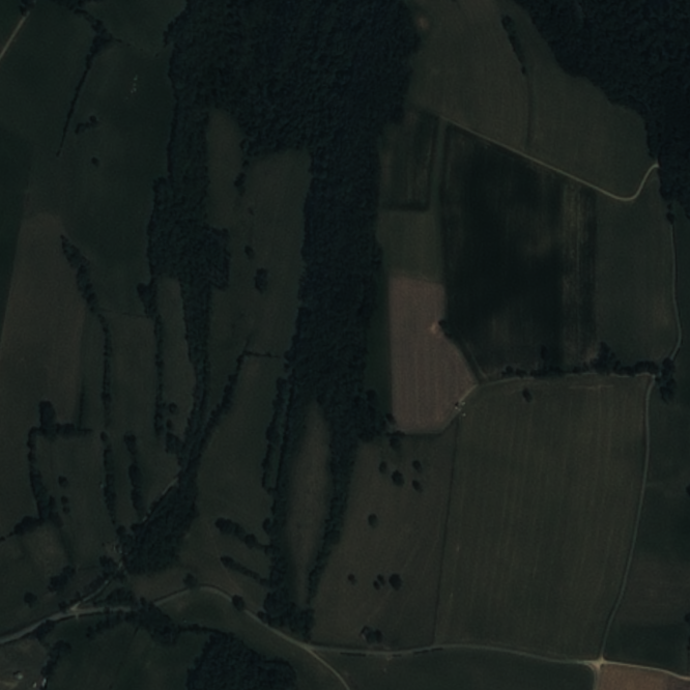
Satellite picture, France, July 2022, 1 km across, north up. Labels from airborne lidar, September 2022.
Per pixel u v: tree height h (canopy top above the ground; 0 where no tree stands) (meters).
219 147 0
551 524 0
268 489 11
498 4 0
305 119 10
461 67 0
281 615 12
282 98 20
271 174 0
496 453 0
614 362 7
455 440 0
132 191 0
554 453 0
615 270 0
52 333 0
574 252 0
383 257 13
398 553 0
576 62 20
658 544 0
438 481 0
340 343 15
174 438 14
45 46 0
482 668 0
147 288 16
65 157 0
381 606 0
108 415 0
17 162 0
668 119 19
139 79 0
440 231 0
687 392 0
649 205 0
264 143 13
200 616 0
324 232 23
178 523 18
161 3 0
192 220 18
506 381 0
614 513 0
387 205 0
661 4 32
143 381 0
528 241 0
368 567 0
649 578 0
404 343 0
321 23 21
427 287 0
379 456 0
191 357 8
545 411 0
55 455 0
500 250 0
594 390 0
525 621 0
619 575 0
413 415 0
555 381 0
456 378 0
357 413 24
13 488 0
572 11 26
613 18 26
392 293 0
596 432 0
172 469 0
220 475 0
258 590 0
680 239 0
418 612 0
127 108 0
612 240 0
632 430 0
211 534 0
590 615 0
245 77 21
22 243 0
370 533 0
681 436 0
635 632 0
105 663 0
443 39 0
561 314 0
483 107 0
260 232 0
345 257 15
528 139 0
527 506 0
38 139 0
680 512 0
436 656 0
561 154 0
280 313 0
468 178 0
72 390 0
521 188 0
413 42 14
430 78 0
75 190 0
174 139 16
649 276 0
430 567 0
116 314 0
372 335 0
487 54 0
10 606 0
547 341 0
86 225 0
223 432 0
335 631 0
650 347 0
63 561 0
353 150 16
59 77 0
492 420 0
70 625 0
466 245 0
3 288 0
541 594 0
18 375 0
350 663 0
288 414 19
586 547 0
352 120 16
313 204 22
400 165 0
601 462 0
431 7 0
